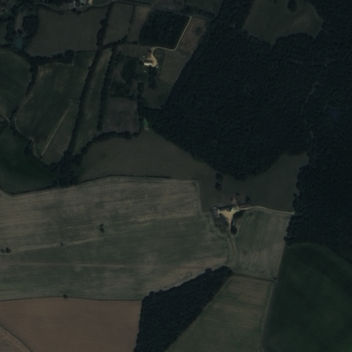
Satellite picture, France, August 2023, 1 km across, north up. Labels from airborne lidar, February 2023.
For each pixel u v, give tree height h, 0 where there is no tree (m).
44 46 0
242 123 18
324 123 13
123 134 13
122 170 0
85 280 0
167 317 16
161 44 9
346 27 17
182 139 21
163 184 0
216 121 21
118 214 0
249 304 0
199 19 0
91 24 0
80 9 0
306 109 15
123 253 0
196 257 0
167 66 0
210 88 19
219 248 0
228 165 22
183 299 20
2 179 0
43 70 0
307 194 23
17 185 0
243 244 0
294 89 13
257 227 0
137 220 0
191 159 0
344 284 0
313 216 20
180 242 0
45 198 0
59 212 0
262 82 21
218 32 11
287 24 0
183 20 7
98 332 0
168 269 0
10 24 13
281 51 12
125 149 0
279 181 0
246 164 23
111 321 0
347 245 17
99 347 0
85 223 0
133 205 0
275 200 0
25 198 0
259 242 0
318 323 0
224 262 0
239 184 0
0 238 0
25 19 11
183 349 0
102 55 0
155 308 16
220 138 23
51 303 0
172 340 11
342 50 24
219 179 20
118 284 0
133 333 0
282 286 0
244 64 19
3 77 0
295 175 0
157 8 0
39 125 0
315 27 0
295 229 17
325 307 0
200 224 0
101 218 0
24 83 0
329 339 0
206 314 0
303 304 0
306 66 16
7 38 14
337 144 23
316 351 0
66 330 0
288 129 17
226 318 0
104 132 0
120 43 14
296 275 0
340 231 17
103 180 0
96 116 0
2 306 0
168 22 9
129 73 6
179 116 19
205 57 17
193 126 18
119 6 0
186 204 0
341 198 26
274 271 0
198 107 17
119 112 0
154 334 16
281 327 0
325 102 20
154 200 0
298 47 17
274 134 14
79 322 0
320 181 24
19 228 0
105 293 0
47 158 0
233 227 7
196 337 0
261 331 0
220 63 18
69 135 0
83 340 0
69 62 15
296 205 18
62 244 9
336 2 22
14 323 0
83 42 0
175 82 0
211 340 0
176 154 0
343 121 17
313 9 0
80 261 0
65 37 0
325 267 0
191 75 20
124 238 0
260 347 0
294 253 0
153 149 0
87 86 6
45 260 0
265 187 0
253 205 0
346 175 20
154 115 19
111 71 14
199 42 0
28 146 8
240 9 19
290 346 0
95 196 0
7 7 0
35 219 0
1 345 0
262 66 19
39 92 0
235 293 0
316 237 17
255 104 15
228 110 22
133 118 0
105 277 0
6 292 0
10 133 0
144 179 0
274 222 0
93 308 0
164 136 16
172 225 0
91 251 0
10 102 0
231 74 18
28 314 0
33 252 0
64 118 0
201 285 19
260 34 0
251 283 0
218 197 0
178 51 0
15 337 0
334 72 15
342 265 0
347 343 0
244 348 0
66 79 0
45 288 0
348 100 14
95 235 0
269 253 0
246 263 0
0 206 0
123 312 0
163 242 0
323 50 16
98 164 0
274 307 0
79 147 0
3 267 0
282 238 0
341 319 0
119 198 0
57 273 0
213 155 22
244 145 19
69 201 0
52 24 0
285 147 19
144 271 0
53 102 0
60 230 0
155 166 0
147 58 0
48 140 0
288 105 14
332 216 26
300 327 0
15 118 0
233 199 0
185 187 0
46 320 0
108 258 0
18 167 0
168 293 13
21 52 11
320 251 0
